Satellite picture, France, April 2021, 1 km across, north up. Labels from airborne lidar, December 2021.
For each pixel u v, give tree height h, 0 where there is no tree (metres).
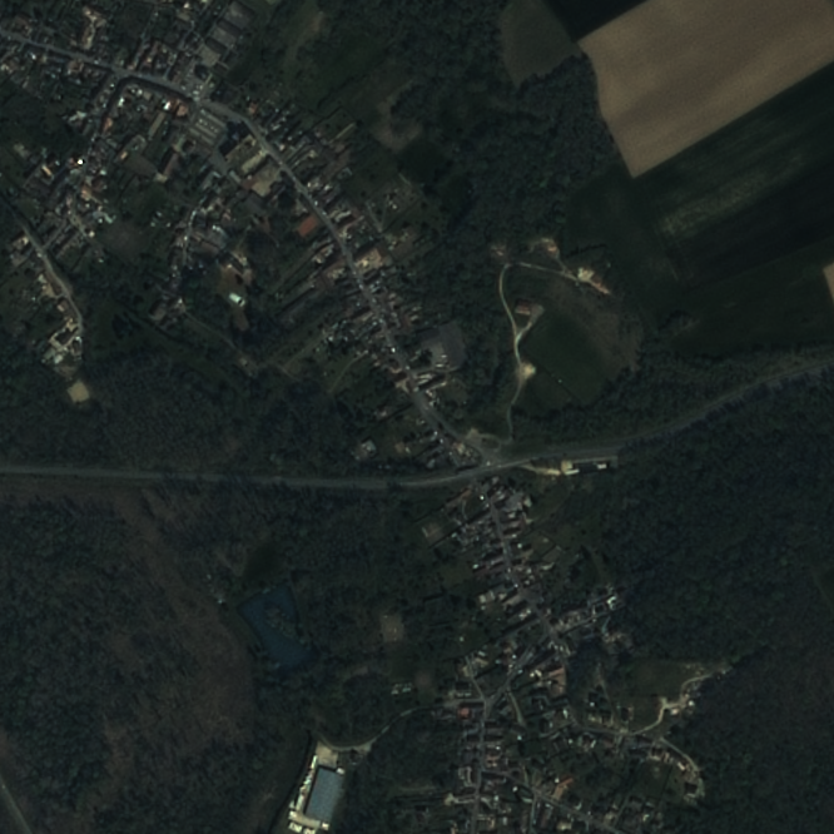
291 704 19
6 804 0
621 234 0
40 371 16
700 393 18
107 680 29
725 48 0
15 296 7
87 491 0
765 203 0
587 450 0
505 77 12
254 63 0
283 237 22
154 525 0
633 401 23
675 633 22
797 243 0
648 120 0
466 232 20
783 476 23
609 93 0
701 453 23
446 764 14
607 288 0
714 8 0
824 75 0
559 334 0
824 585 0
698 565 26
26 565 30
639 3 0
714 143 0
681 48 0
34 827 0
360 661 15
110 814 0
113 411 16
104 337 0
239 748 0
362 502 34
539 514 0
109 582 23
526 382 0
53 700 22
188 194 9
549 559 0
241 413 25
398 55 8
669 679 0
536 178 19
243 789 0
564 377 0
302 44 0
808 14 0
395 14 19
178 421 36
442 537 0
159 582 0
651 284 0
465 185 0
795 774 25
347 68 0
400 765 29
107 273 12
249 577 0
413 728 12
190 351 15
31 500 0
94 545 24
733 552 19
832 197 0
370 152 7
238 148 0
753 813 19
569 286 0
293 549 24
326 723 0
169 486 0
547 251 0
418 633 16
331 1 18
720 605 21
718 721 22
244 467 23
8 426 7
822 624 18
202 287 21
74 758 13
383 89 0
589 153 20
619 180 0
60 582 29
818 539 24
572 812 0
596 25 0
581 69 18
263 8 0
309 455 40
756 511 24
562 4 0
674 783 0
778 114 0
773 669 21
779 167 0
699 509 32
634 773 9
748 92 0
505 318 12
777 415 20
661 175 0
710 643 18
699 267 0
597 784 12
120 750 0
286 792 0
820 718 20
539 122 20
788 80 0
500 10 18
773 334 0
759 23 0
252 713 0
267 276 23
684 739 13
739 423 23
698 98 0
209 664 0
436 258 6
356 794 12
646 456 13
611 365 0
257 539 23
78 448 17
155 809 0
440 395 6
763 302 0
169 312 6
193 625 0
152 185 7
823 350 10
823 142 0
